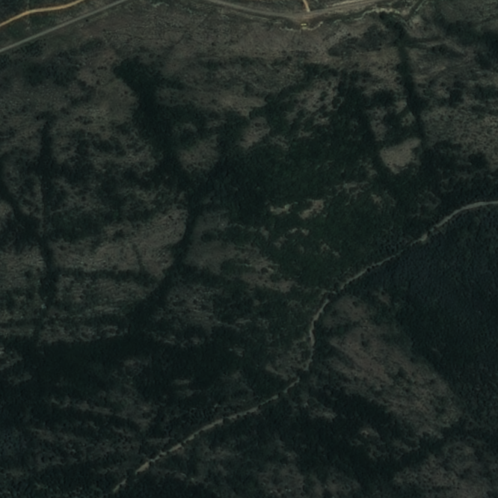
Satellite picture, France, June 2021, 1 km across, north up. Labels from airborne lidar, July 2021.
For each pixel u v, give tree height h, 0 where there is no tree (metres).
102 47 0
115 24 0
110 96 0
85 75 0
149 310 8
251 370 14
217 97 0
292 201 7
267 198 10
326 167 7
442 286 8
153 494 8
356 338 0
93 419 11
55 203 6
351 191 7
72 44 0
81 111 0
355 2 0
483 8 0
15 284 0
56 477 11
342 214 7
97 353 10
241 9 0
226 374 14
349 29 0
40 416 12
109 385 7
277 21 0
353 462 11
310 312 7
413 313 10
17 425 14
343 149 11
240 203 11
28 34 0
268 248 7
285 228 10
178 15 0
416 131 10
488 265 8
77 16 0
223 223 0
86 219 7
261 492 8
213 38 0
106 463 9
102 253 0
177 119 8
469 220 7
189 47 0
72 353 12
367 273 8
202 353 13
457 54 0
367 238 8
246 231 6
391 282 10
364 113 9
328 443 10
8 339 12
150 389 12
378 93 7
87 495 16
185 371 11
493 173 9
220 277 6
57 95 0
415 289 8
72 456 8
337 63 0
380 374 0
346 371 0
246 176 11
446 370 9
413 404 0
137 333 9
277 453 7
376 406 7
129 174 8
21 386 11
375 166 9
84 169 6
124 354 13
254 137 0
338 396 10
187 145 8
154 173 7
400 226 10
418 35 0
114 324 8
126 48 0
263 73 0
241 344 9
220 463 8
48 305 9
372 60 0
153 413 7
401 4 0
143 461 10
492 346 8
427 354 8
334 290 8
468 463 0
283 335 7
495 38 10
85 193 6
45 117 7
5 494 7
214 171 10
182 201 8
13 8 0
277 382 6
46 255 7
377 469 9
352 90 6
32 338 7
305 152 10
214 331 7
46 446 10
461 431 7
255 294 8
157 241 0
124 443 9
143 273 7
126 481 7
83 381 7
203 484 9
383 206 6
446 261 7
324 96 6
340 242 7
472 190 11
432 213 6
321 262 6
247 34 0
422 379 0
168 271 7
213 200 7
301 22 0
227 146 9
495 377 9
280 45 0
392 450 5
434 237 11
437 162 8
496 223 12
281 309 6
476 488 0
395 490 7
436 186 8
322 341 6
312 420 9
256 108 7
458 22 8
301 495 6
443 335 6
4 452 13
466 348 8
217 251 0
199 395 7
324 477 6
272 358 6
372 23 0
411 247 11
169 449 10
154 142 8
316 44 0
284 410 7
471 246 9
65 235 8
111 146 8
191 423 7
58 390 12
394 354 0
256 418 10
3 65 8
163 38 0
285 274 6
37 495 14
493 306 8
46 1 0
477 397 9
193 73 0
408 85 13
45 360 11
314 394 9
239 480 8
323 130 7
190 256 0
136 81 6
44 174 12
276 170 10
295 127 10
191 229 9
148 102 10
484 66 7
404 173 7
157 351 15
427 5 0
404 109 6
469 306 7
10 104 0
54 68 8
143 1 0
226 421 12
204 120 8
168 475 10
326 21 0
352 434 10
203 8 0
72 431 8
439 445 7
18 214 8
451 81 0
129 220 8
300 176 8
